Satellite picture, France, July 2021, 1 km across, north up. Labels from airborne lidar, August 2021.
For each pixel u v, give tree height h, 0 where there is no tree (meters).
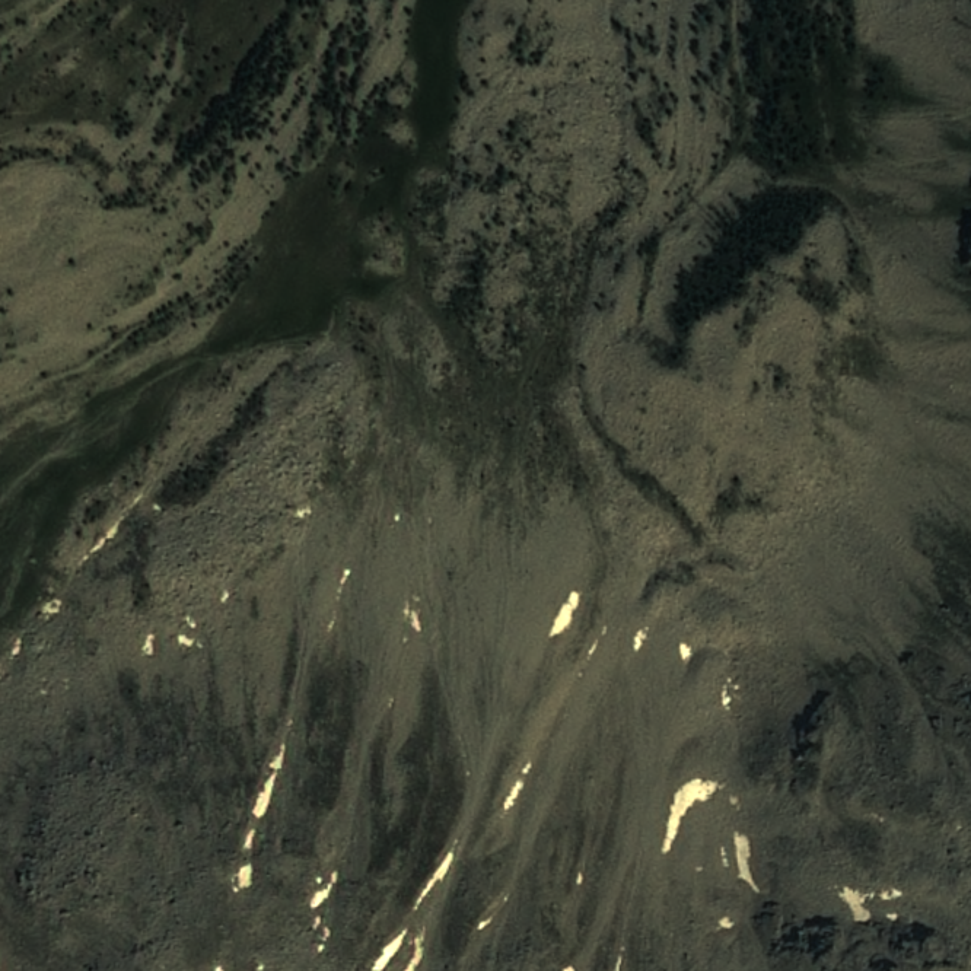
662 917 0
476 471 0
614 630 0
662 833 0
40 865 0
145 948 0
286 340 0
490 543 0
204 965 0
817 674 0
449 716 0
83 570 0
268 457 0
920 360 0
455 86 0
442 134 0
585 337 0
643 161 0
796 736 0
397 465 0
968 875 0
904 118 0
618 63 0
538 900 0
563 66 0
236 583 0
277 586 0
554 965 0
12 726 0
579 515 0
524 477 0
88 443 0
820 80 0
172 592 0
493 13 0
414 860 0
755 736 0
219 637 0
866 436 0
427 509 0
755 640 0
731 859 0
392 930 0
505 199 0
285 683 0
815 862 0
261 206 0
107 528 0
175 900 0
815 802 0
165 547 0
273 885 0
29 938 0
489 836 0
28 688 0
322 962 0
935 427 0
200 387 0
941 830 0
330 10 0
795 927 0
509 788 0
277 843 0
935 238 0
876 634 0
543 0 0
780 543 0
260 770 0
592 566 0
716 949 0
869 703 0
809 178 0
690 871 0
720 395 0
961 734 0
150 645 0
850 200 0
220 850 0
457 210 0
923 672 0
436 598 0
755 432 0
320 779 0
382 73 0
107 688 0
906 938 0
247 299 0
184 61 0
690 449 0
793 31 8
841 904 0
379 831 0
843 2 7
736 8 0
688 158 0
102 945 0
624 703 0
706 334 0
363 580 0
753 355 0
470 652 0
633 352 0
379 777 0
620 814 0
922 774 0
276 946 0
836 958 0
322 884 0
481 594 0
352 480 0
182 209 0
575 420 0
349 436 0
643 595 0
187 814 0
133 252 0
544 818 0
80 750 0
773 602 0
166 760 0
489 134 0
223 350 0
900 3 0
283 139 0
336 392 0
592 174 0
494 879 0
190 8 0
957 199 0
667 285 0
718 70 14
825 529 0
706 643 0
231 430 6
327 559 0
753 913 0
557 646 0
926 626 0
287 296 0
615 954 0
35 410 0
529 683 0
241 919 0
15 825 0
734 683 0
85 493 0
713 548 0
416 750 0
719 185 0
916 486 0
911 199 0
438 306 0
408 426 0
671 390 0
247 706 0
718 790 0
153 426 0
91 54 0
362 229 0
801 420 0
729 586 0
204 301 0
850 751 0
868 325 0
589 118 0
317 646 0
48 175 0
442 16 0
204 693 0
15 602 0
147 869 0
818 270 0
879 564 0
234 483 0
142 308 0
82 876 0
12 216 0
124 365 0
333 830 0
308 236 0
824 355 0
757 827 0
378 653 0
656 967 0
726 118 0
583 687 0
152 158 7
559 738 0
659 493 0
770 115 16
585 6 0
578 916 0
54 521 0
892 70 0
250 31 0
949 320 0
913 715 0
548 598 0
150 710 0
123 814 0
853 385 0
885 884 0
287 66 11
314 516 0
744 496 0
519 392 0
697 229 0
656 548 0
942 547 0
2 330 0
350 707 0
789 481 0
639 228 0
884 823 0
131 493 0
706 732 0
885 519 0
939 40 0
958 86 0
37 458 0
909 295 0
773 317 0
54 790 0
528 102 0
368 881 0
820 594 0
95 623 0
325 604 0
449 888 0
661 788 0
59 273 0
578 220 0
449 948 0
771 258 0
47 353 0
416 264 0
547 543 0
